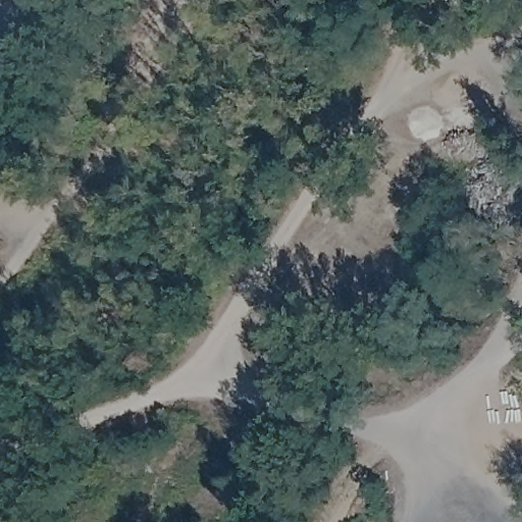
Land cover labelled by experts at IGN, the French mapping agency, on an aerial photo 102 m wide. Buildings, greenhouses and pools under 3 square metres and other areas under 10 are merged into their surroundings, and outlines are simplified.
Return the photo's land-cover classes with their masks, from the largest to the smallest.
<instances>
[{"label":"deciduous trees","instance_id":"1","mask_svg":"<svg viewBox=\"0 0 522 522\"><path fill-rule=\"evenodd\" d=\"M20 8V12L16 20L10 22L4 33H0V204L4 200H10L12 204L18 200H27L29 206H43L47 200L55 198V194H59L63 184L71 177L73 161L90 157V141H96L98 145L106 147L108 153L118 149L120 163L128 167V173L122 175V181L118 186H110L104 194L90 196L86 214L82 218L77 214H65L57 222L67 234V239L57 247V251L65 253L71 265H90L92 259L100 257L102 261L161 265L163 269L173 271L179 263H188L186 273L194 277L192 285L167 288V296H163V302H155L153 288L145 283V275L135 273L133 283H128L122 294L114 296L112 285H102L98 288L100 296L96 302L82 304L75 300V292L65 290L61 292V306H57L55 310H20L18 316L6 320L0 326V432L22 438V449L0 457V522H110L118 512V504L124 498L147 493L151 489V451L167 453L175 445V436L181 432L184 424H194L198 428L204 424L200 420V410L192 408L186 400L161 404L157 410V420L165 424V430H145L122 438L110 434L106 438L104 434H96L94 428L80 424V416L84 412L106 402L126 398L128 394H145L151 381L163 379L173 369L171 357L184 355L188 338L208 328L210 320V310L218 304L222 296H230L232 292V277L241 269H245L247 265L267 267V239L285 216L290 202L300 196L304 188L310 190L316 198L312 202L310 212L320 214L322 208H330V216L338 218L341 222H349L357 206V196L373 194L369 184L377 175V169H381L392 159L387 135L381 131L379 118L363 120L361 133L351 131L349 141L332 143L328 149V159L324 161L316 153L308 151L312 141L320 139L318 110L330 104V96L334 92L355 88L349 75H359L363 71L375 75L383 69L396 45L410 47L422 43L426 51L455 55L461 49H469L473 39L477 37H493V33L498 31L516 37L522 35V0H447L451 4L449 10H442L438 14L434 24H428L416 18L414 6L432 0H281L283 6H288V18L310 20L314 24V31L310 35H302L296 29L283 27L275 29L273 37H263L261 27L255 18H265L269 10L257 8L255 0H186V4L177 6V29L173 31L165 27V31L159 35L155 43V49L161 61L165 63L159 69L165 82L161 86L139 84L126 75L122 77L120 86L112 84L114 75L106 71V65L126 45H131V39L124 35L133 31V24L145 10L139 0H12ZM104 98H114L118 106L124 108L122 114L116 116L112 122L94 118L86 106L88 100ZM247 126H261L267 133H271L275 147L283 153V157L279 161H269L267 157L257 153L255 147L243 151ZM206 173L212 175V179L204 184L208 198H198L196 202H190L188 192H192L194 177ZM512 65V69L504 73L506 88L514 96L522 98V51L502 57ZM473 124L481 131L477 143L485 149L483 157L487 159L489 167H493V171L500 175L498 186H514L516 190L522 186V128L520 124L510 120L504 126H500L493 118H475ZM465 169H477V159L445 161L432 153L430 157H426V167L422 171L424 181L418 190V198L410 204L398 206V232H392L394 243L387 247L394 253H398L402 265L414 273H408L402 281L394 283L387 294L375 298H334L320 292L316 294L312 304L300 306L296 302V294L292 292L285 296L279 310H259L265 320L261 324H255L257 332H251V341L257 347H261L255 357L265 361L261 369L263 379H257L255 387L265 398L267 408L247 422V432L243 434L241 447L230 451L228 457L234 463L232 473L216 477L204 485L220 504L226 506L224 516L218 522H318L324 516L322 508L328 504L330 498V483L334 481L341 467L359 465L357 442L353 438V432L357 428H365V420L359 416V412L367 406L365 400L375 396L377 392L367 381V371L371 367L392 365L396 369V377L402 379L432 371L445 377H449L461 365L463 336L471 334L475 328L481 326H493L502 314H506L508 304L512 302L508 292L516 275H520L516 259H522V230L514 226L495 228L493 222L483 224L467 216L463 206L469 204V196L463 181H467L471 175L465 173ZM514 498V506L522 510V475H516L514 481L508 485ZM357 493L363 498L365 508L363 512L347 518L345 522H396L394 510V495L387 491L385 479L381 477L377 483H359Z\"/></svg>","mask_w":522,"mask_h":522},{"label":"pervious surface","instance_id":"2","mask_svg":"<svg viewBox=\"0 0 522 522\"><path fill-rule=\"evenodd\" d=\"M145 10L133 24V31L124 35L131 39V45L133 51L126 75L139 84L161 86L165 82L159 69L165 63L161 61L155 49V43L159 35L165 31V27L173 31L177 29V6L186 4V0H139ZM451 4L447 0H432L414 6L416 18L428 24H434L438 14L442 10H449ZM522 51V35L516 37L498 31L493 33V37H477L473 39L469 49H461L455 55L426 51L422 43L410 47L396 45L383 69L379 84L363 98V120L379 118H383L389 112H396L410 124L412 135L426 143L432 153L445 161L477 159V169H465V173L471 175L467 181H463L469 196V204L463 206L467 216L483 224L493 222L495 228L514 226L522 230V186L516 190L514 186H498L500 175L493 171V167H489L487 159L483 157L485 149L477 143L481 131L473 124L475 118H493L500 126H504L510 120V116L506 114V88L504 73L512 69V65L502 57ZM128 173V167L120 163L118 149L108 153L106 147L98 145L96 141H90V157L73 161L71 177L63 184L59 194H55V198L47 200L43 206H29L27 200H18L12 204L10 200H4L0 204V281H8L10 275L22 269L24 259L39 247L47 228L57 222L65 214H77L82 218L86 214L90 196L104 194L110 186H118L122 181V175ZM316 198L310 190L304 188L300 196L290 202L285 216L267 239V267L247 265L245 269H241L232 277V292L237 296L230 300L224 314L216 322L210 320L208 328L204 330L206 338L200 345V349L194 355H190L184 365L173 369L163 379L151 381L145 394H128L126 398L106 402L84 412L80 416V424L94 428L106 418L120 416L124 412H143L157 402L161 404L186 400H220L226 406L234 408L232 392L237 387V367L245 365L241 330L243 320L247 318V312L251 308L245 300L257 288H267L269 275L277 265L279 251L292 245L298 226L310 212L312 202ZM520 275H516L508 292L512 302L508 304L506 314H502L493 326V332L489 334L481 351L469 363L461 365L449 377H445L430 394L418 398L410 406L365 420V428H357L353 432V438L357 442L373 440L400 465L404 473L406 500L404 506L394 510L396 522H522V510L514 506V498L508 485L514 481L516 475H522V402H518L516 396L500 392V373L508 361L522 371V259H516ZM22 449V438L0 432V457Z\"/></svg>","mask_w":522,"mask_h":522},{"label":"herbaceous vegetation","instance_id":"3","mask_svg":"<svg viewBox=\"0 0 522 522\"><path fill-rule=\"evenodd\" d=\"M257 8L269 10L265 18H255L261 27L263 37H273L275 29L283 27L296 29L302 35H310L314 31V24L310 20L288 18V6H283L281 0H255ZM133 51L131 45H126L106 65V71L114 75L112 84L120 86L122 77L126 75ZM383 69L375 75L363 71L359 75H349L355 88L334 92L330 96V104L318 110L320 139L312 141L308 151L316 153L324 161L328 159V149L332 143L349 141L351 131L361 133L363 120V98L379 84ZM506 114L510 116V120L520 124L522 128V98L514 96L506 88ZM86 106L94 118L112 122L116 116L122 114L124 108L118 106L114 98H104L88 100ZM381 131L387 135L392 159L381 169H377V175L369 184L373 194L357 196V206L349 222H341L338 218L330 216V208H322L320 214L310 212L298 226L292 245L279 251L277 265L269 275L267 288H257L245 300L251 308L247 312V318L243 320L241 330L245 365L237 367V387L232 392L234 408L226 406L220 400H186L192 408L200 410V420L204 424L198 428L194 424H184L181 432L175 436V445L167 453L151 451V489L147 493L124 498L118 504V512L110 522H157L149 512V502L157 495L159 487L167 485V481L173 477L171 467L177 457L200 473L202 483L196 487V491H192V495L184 504L167 508V518L163 522H218L224 516L226 506L220 504L204 485L216 477L232 473L234 463L228 457L230 451L241 447L243 434L247 432V422L267 408L265 398L255 387L257 379H263L261 369L265 361L255 357L261 347H257L251 341V332H257L255 324H261L265 320L259 310H279L285 296L292 292L296 294V302L300 306L312 304L316 294L320 292L334 298H375L387 294L394 283L402 281L408 273H414L402 265L398 253H394L387 247L394 243L392 232H398V206L410 204L418 198V190L424 181L422 171L426 167V157H430L432 153L426 143L412 135L410 124L396 112H389L383 118H379ZM255 147L257 153L267 157L269 161H279L283 157V153L275 147L271 133H267L261 126H247L243 151ZM212 179V175L206 173L194 177L192 192H188L190 202H196L198 198H208L204 184ZM237 296L232 292L230 296H222L218 304L210 310V320L216 322L224 314L230 300ZM493 332V326H481L475 328L471 334L463 336L461 365L469 363L481 351L489 334ZM206 338L204 330L188 338L184 355L171 357L173 369L184 365L190 355H194L200 349V345ZM500 392L516 396L518 402H522V371L508 361L500 373ZM445 377L432 371L402 379L396 377V369L392 365L371 367L367 371V381L377 392L375 396L365 400L367 406L359 412V416L365 420L410 406L418 398L430 394ZM161 404L157 402L143 412H124L120 416L106 418L94 428L96 434H104L106 438L110 434L122 438L145 430H165V424L157 420V410ZM359 465L341 467L334 481L330 483V498L328 504L322 508L324 516L318 522H345L347 518L363 512L365 508L363 498L357 493L359 483H377L381 477L385 479L387 491L394 495V510L404 506L406 500L404 473L400 465L373 440L357 442Z\"/></svg>","mask_w":522,"mask_h":522},{"label":"brushwood","instance_id":"4","mask_svg":"<svg viewBox=\"0 0 522 522\"><path fill-rule=\"evenodd\" d=\"M67 239V234L57 222L47 228L39 247L24 259L22 269L10 275L8 281H0V326L6 320L18 316L20 310H55L57 306H61V292L65 290L75 292V300L82 304L96 302L100 296L98 288L102 285H112L114 296L122 294L128 283H133L135 273L145 275V283L153 288L155 302H163V296H167V288L192 285L194 277L186 273L188 263H179L173 271L163 269L161 265L102 261L100 257L92 259L90 265H71L65 253L57 251V247ZM173 477L167 481V485L159 487L157 495L149 502V512L157 522H163L167 518V508L184 504L192 495V491H196V487L202 483L200 473L177 457L171 467Z\"/></svg>","mask_w":522,"mask_h":522},{"label":"bare soil","instance_id":"5","mask_svg":"<svg viewBox=\"0 0 522 522\"><path fill-rule=\"evenodd\" d=\"M20 12V8L12 0H0V33H4L10 22L16 20Z\"/></svg>","mask_w":522,"mask_h":522}]
</instances>
